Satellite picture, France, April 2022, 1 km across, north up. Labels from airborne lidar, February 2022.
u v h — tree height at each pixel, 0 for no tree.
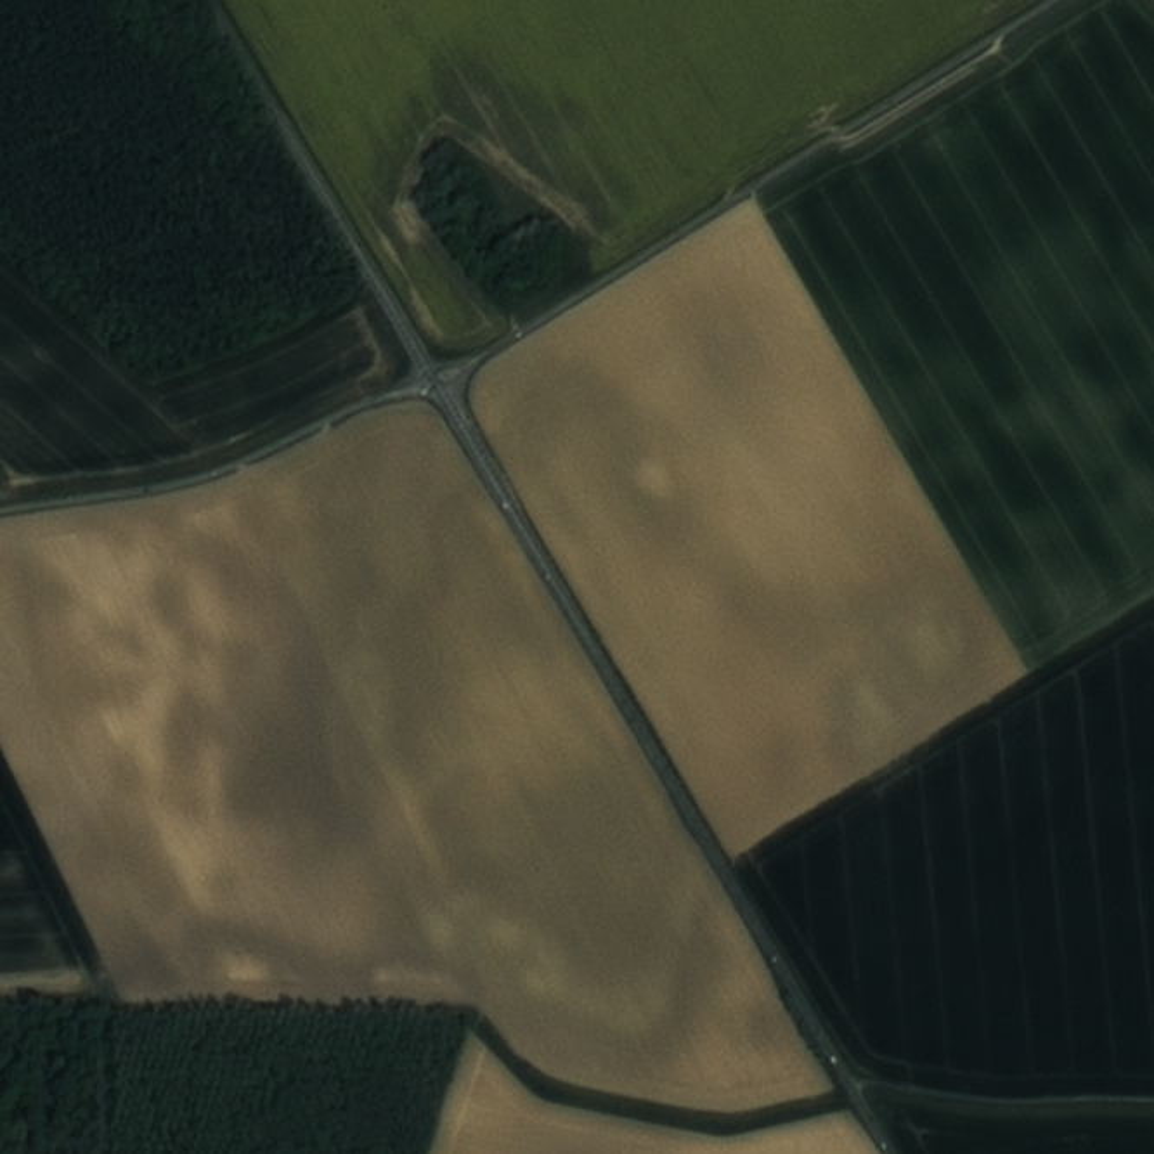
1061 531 0
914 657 0
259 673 0
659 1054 0
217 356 23
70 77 29
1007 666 0
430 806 0
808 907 0
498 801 0
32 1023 24
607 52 0
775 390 0
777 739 0
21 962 0
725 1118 0
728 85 0
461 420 0
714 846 0
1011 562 0
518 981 0
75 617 0
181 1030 24
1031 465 0
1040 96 0
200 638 0
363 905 0
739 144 0
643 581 0
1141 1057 0
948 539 0
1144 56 0
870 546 0
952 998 0
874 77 0
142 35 23
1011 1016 0
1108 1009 0
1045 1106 0
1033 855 0
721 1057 0
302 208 27
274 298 18
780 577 0
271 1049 27
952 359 0
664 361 0
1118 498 0
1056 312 0
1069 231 0
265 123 25
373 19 0
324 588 0
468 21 0
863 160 0
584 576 0
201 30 26
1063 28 0
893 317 0
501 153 0
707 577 0
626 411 0
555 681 0
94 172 18
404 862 0
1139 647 0
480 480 0
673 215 0
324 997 0
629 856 0
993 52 0
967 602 0
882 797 0
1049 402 0
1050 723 0
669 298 0
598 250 0
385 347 0
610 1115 0
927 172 0
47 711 0
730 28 0
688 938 0
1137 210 0
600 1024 0
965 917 0
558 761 0
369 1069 28
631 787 0
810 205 0
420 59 0
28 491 0
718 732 0
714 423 0
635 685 0
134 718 0
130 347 15
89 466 0
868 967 0
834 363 0
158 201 32
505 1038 0
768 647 0
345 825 0
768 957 0
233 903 0
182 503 0
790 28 0
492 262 18
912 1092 0
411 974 0
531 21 0
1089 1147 0
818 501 0
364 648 0
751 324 0
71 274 12
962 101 0
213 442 0
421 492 0
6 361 0
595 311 0
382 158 0
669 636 0
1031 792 0
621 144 0
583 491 0
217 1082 28
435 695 0
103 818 0
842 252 0
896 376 0
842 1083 0
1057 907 0
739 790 0
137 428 0
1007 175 0
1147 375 0
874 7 0
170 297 27
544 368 0
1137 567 0
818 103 0
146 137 22
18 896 0
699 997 0
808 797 0
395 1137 22
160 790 0
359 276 22
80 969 0
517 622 0
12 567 0
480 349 0
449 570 0
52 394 0
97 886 0
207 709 0
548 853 0
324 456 0
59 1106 25
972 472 0
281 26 0
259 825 0
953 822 0
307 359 0
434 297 0
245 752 0
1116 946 0
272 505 0
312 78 0
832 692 0
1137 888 0
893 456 0
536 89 0
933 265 0
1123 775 0
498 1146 0
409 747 0
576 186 0
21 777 0
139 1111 29
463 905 0
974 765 0
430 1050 25
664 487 0
